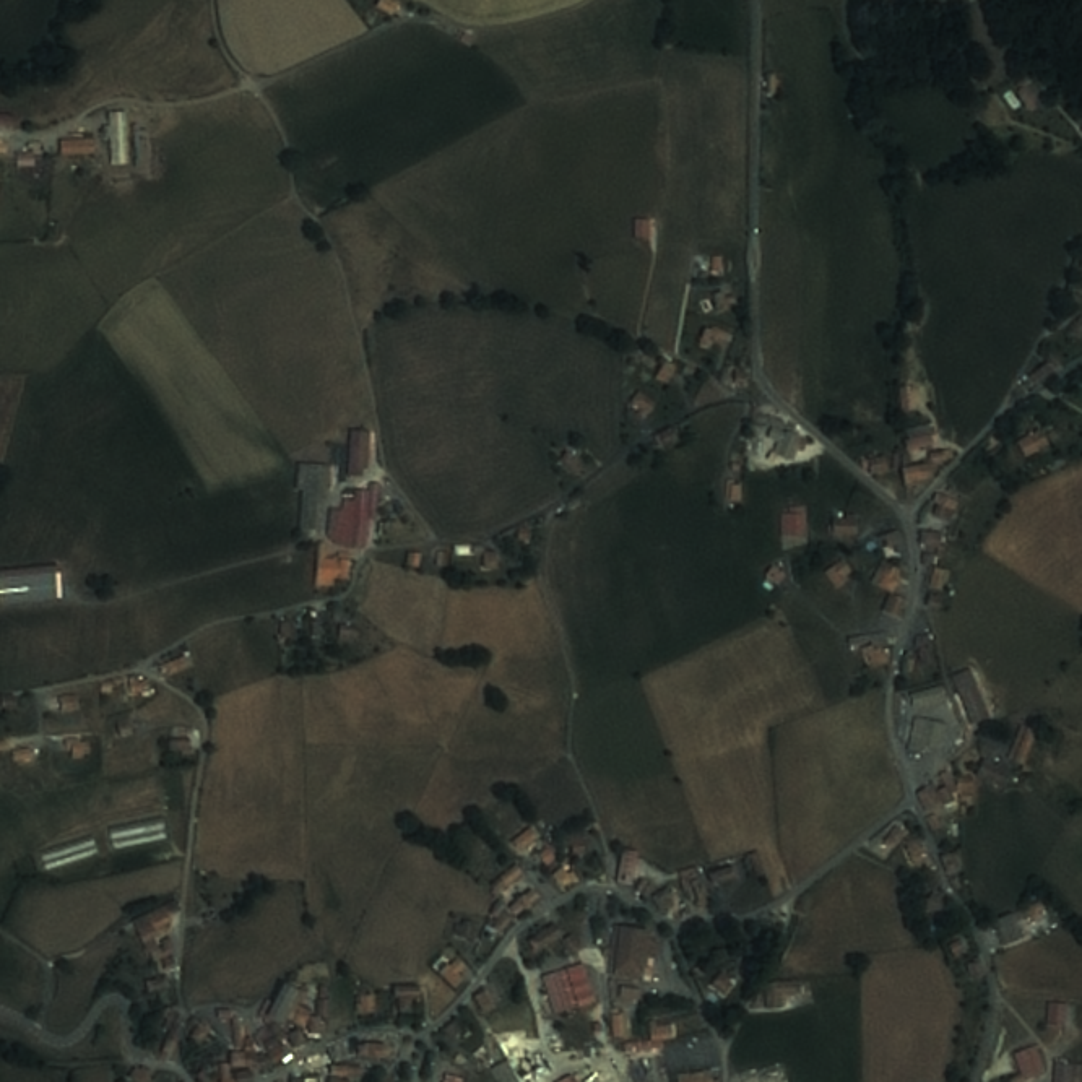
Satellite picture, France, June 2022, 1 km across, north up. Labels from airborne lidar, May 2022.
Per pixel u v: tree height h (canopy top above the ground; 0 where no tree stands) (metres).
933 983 0
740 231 0
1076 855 0
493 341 0
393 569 0
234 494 0
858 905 0
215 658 0
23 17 0
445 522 0
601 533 0
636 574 0
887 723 0
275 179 0
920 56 18
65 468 0
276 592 0
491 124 0
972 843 0
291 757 0
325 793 0
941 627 0
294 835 0
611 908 8
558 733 0
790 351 0
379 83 0
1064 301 18
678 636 0
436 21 0
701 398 0
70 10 19
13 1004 0
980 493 0
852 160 0
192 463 0
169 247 0
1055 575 0
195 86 0
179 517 0
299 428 0
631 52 0
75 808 0
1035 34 32
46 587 0
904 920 9
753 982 28
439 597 0
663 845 0
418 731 0
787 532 0
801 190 0
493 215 0
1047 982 0
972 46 15
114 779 0
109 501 0
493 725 0
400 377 0
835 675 0
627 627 0
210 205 0
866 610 0
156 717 0
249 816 0
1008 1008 0
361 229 0
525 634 0
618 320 0
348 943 0
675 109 0
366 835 0
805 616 0
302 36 0
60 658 0
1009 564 0
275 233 0
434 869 0
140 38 0
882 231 0
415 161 0
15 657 0
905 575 0
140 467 0
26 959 0
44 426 0
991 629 0
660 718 0
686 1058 0
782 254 0
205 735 0
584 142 0
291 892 0
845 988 0
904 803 0
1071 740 0
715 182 0
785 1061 0
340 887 0
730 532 0
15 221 0
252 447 0
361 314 0
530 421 0
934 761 0
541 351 0
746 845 0
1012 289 0
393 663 0
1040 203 0
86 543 0
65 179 0
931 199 0
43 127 0
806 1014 0
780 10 0
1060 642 0
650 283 0
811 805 0
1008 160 8
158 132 0
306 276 0
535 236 0
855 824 0
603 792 0
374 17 0
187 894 0
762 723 0
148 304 0
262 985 0
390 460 0
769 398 0
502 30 0
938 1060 0
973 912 9
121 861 0
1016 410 13
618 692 0
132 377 0
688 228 0
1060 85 10
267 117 0
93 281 0
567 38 0
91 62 0
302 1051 0
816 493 0
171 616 0
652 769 0
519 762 0
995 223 0
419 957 0
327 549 0
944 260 0
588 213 0
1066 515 0
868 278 0
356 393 0
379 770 0
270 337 0
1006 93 0
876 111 21
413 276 0
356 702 0
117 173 0
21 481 0
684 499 0
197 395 0
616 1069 0
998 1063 0
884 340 16
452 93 0
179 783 0
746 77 0
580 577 0
